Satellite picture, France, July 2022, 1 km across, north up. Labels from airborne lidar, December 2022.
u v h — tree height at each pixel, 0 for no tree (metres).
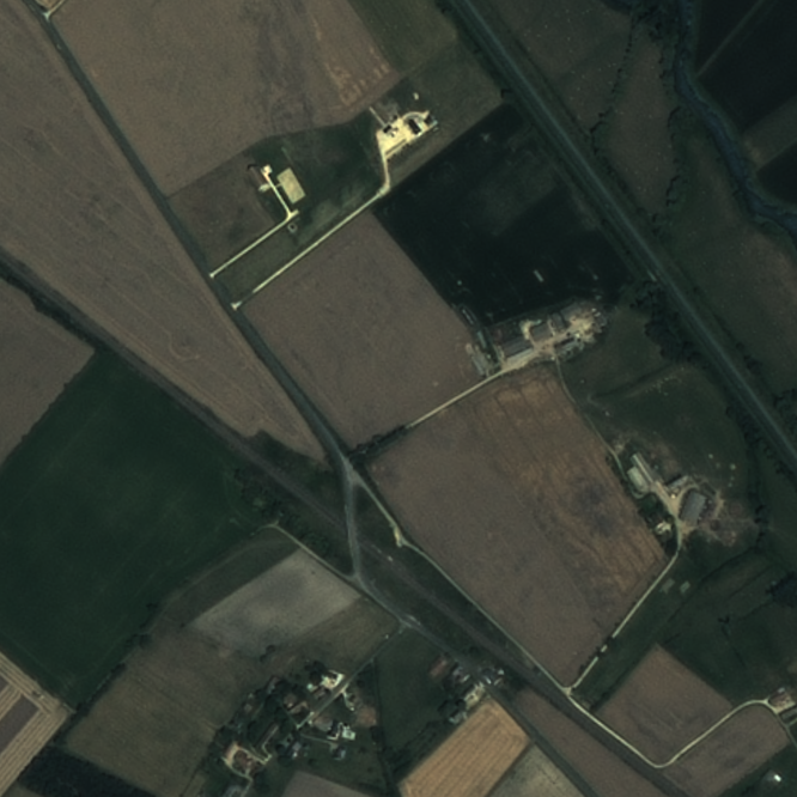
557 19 0
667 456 0
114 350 0
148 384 0
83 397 0
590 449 0
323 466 0
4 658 0
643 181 0
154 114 0
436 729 6
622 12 9
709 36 0
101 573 0
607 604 0
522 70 0
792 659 0
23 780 9
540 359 0
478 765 0
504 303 0
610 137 0
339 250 0
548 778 0
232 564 0
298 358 0
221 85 0
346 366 0
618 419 0
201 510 0
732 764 0
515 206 0
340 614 0
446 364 0
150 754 0
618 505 0
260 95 0
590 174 0
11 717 0
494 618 0
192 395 0
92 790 21
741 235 0
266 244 0
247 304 0
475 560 0
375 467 0
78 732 0
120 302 0
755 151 0
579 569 0
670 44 14
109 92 0
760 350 0
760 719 0
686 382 0
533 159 0
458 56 0
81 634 0
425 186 0
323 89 0
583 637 0
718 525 0
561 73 0
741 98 0
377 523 0
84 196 0
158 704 0
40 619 0
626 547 0
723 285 0
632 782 0
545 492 0
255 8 0
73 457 0
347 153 0
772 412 0
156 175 0
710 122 0
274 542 0
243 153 0
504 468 0
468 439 0
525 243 0
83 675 0
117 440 0
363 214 0
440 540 0
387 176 0
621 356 0
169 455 0
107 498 0
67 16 0
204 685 0
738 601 0
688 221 0
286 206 0
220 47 0
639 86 0
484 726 0
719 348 0
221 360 0
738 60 0
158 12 0
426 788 0
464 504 0
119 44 0
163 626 0
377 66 0
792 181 0
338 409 0
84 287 0
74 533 0
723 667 0
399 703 0
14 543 0
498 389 0
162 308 0
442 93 0
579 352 0
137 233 0
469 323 0
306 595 0
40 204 0
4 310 0
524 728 0
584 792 0
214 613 0
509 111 0
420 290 0
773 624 0
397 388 0
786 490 0
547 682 0
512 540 0
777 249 0
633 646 0
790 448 0
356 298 0
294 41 0
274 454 0
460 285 0
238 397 0
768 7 0
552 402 0
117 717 0
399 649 0
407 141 0
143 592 0
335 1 0
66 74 0
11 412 0
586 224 0
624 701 0
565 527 0
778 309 0
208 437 0
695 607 0
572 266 0
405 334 0
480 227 0
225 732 14
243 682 0
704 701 0
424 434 0
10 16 0
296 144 0
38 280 0
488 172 0
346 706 0
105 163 0
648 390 0
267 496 12
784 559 0
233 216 0
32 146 0
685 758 0
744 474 0
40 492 0
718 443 0
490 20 0
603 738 0
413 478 0
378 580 0
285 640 0
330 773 0
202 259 0
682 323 16
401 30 0
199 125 0
